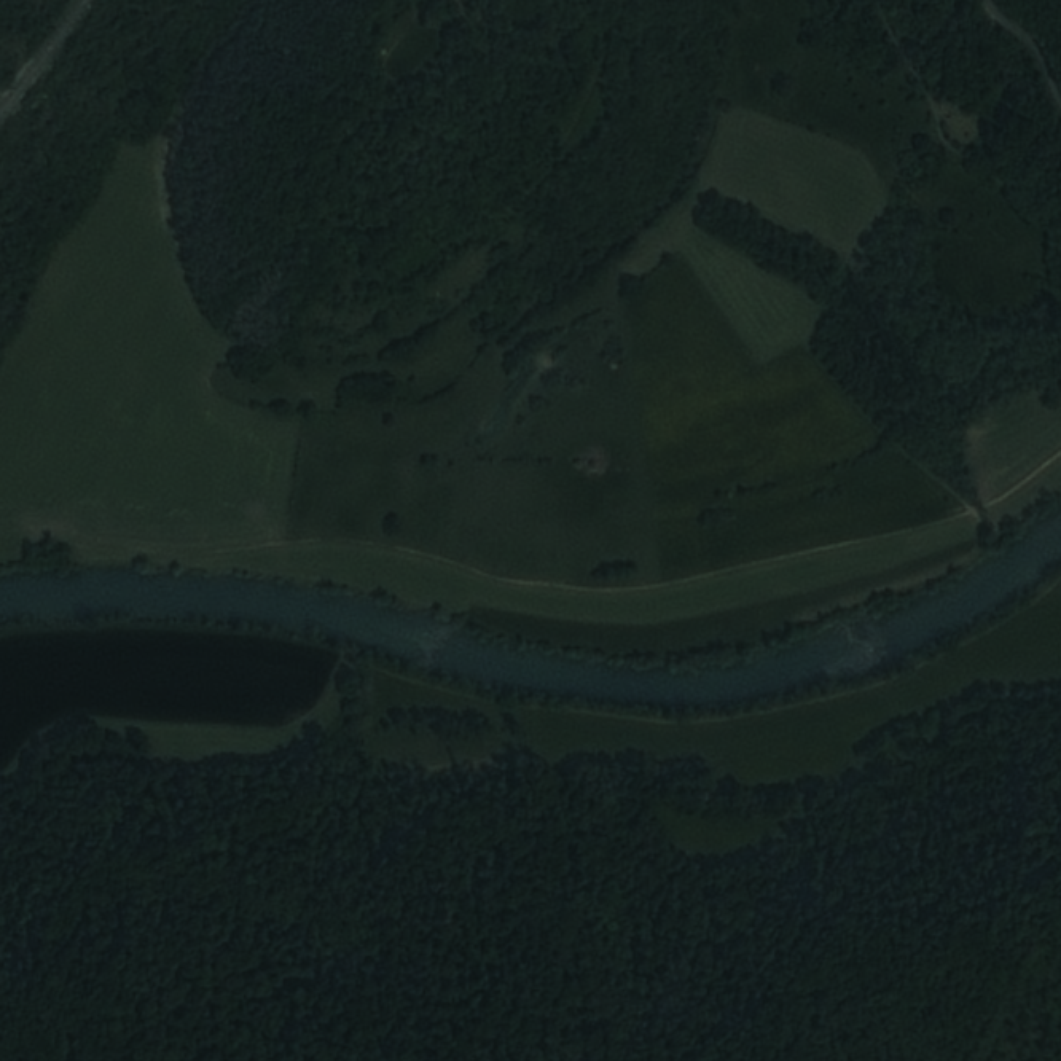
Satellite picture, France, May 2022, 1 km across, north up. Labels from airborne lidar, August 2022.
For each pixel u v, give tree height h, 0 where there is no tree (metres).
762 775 0
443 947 18
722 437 0
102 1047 24
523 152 16
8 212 12
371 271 14
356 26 23
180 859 28
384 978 31
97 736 21
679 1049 24
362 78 16
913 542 0
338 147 23
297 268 17
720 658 21
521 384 0
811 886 27
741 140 0
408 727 23
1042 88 14
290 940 32
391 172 15
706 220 18
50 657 0
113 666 0
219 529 0
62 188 21
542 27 21
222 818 32
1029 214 20
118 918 28
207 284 24
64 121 14
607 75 13
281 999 26
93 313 0
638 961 29
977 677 0
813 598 0
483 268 0
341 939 22
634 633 0
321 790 25
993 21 16
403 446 0
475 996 26
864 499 0
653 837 22
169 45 22
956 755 9
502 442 0
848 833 29
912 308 26
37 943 28
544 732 0
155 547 0
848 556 0
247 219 22
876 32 17
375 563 0
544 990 24
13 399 0
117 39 7
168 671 0
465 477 0
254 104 21
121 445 0
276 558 0
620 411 0
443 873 25
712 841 0
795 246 20
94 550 0
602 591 0
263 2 20
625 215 18
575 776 21
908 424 29
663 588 0
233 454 0
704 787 25
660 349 0
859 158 0
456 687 11
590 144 19
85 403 0
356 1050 28
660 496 0
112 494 0
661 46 21
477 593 0
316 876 13
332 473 0
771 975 26
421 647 0
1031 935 20
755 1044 24
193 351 0
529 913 26
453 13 21
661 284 0
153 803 29
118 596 0
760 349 0
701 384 0
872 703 0
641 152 16
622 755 0
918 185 10
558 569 0
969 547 0
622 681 0
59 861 29
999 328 26
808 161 0
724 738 0
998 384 30
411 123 24
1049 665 0
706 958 31
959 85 23
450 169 17
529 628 0
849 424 0
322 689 0
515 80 20
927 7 18
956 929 14
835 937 27
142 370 0
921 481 0
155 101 24
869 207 0
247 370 17
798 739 0
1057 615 0
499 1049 26
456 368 0
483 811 26
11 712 0
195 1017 25
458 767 11
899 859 29
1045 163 27
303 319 13
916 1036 16
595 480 0
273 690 0
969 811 26
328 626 0
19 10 8
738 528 0
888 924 26
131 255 0
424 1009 29
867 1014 20
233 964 30
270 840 21
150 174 0
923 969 14
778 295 0
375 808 30
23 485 0
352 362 8
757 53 0
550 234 20
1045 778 34
